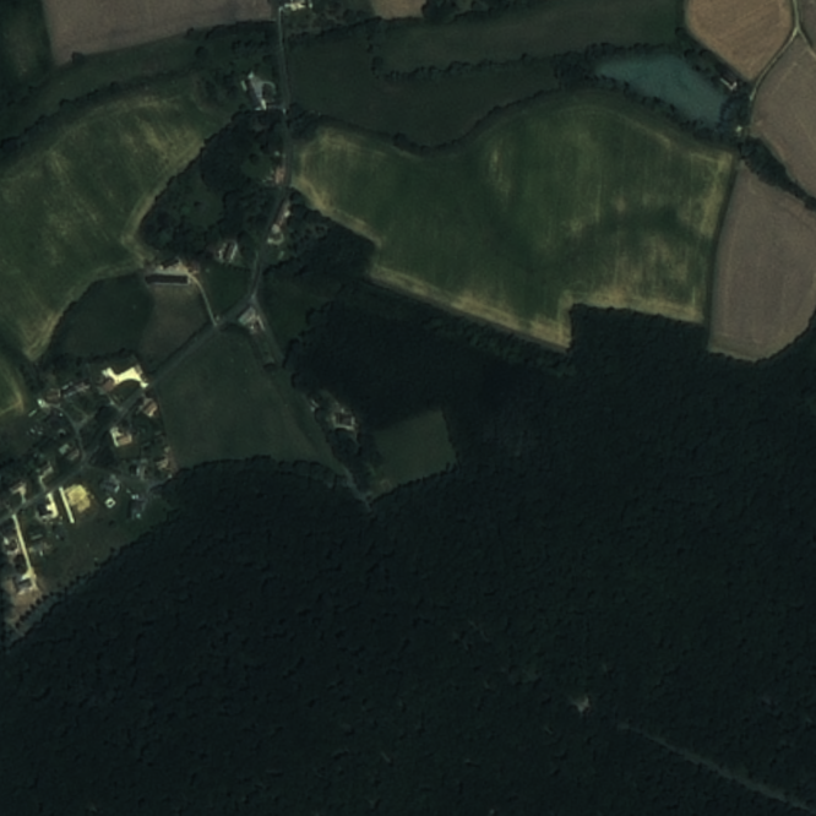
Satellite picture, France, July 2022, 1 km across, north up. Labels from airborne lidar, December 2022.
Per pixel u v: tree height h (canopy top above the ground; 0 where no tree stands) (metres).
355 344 14
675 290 0
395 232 0
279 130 21
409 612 26
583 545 23
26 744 18
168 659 25
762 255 0
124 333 0
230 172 14
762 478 24
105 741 23
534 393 18
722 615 20
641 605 23
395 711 19
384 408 14
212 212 0
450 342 13
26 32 0
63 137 0
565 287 0
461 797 21
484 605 22
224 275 0
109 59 0
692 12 0
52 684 21
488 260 0
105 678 26
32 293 0
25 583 6
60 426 9
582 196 0
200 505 20
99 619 23
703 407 22
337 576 25
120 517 0
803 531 23
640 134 0
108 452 8
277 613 25
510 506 26
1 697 19
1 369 0
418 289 0
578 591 18
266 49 19
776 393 22
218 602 21
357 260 17
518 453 20
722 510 18
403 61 0
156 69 0
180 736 25
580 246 0
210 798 19
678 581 23
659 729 24
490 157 0
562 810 24
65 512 0
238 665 23
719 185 0
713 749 24
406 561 21
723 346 0
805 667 24
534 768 21
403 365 10
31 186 0
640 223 0
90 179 0
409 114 0
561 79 17
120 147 0
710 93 0
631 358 19
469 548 25
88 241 0
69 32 0
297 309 0
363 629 25
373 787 14
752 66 0
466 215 0
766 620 24
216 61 0
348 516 23
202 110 0
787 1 0
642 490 21
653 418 18
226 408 0
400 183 0
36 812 25
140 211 0
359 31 17
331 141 0
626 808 21
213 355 0
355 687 22
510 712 19
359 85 0
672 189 0
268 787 23
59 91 0
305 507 25
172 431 0
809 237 0
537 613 22
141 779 25
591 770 24
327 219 6
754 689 23
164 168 0
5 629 18
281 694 23
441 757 23
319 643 26
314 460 0
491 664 21
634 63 0
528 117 0
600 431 26
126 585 22
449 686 20
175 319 0
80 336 0
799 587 25
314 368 17
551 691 20
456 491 26
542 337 0
